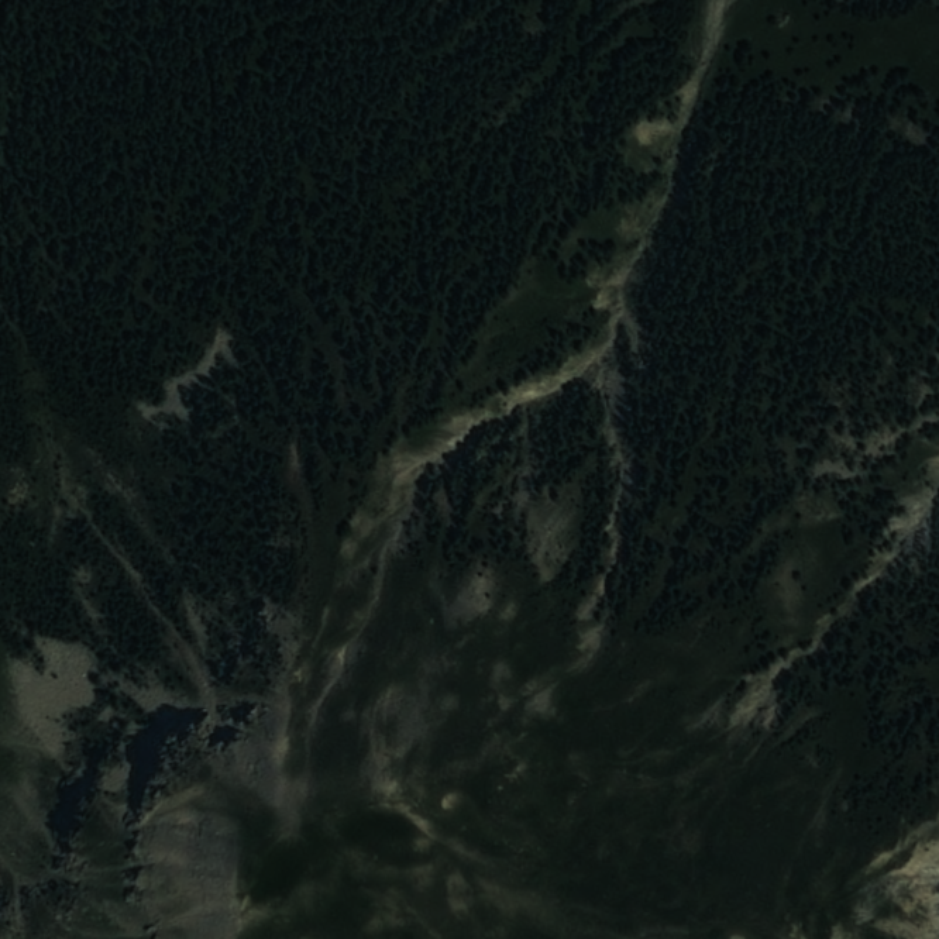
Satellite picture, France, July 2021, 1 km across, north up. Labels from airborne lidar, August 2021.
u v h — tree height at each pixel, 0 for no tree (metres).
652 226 0
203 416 12
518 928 0
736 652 0
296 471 0
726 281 15
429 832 0
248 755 0
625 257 0
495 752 0
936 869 0
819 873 0
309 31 20
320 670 0
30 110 20
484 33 18
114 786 0
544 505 0
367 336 23
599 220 0
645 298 7
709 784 0
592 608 0
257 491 19
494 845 0
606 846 0
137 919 0
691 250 17
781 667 0
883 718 17
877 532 18
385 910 0
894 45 0
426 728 0
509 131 11
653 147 0
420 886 0
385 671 0
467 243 10
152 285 17
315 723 0
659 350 16
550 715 0
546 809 0
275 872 0
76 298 11
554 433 13
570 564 10
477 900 0
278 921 0
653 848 0
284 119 23
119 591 8
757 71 0
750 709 0
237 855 0
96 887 0
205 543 13
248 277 9
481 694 0
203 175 19
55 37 24
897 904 0
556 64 0
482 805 0
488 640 0
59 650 0
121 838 0
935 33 0
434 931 0
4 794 0
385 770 0
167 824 0
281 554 6
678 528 0
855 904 0
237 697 0
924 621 11
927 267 18
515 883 0
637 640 0
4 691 0
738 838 0
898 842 0
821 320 21
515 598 0
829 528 0
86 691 0
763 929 0
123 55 17
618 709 0
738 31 0
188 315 12
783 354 21
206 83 25
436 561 0
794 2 0
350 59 23
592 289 0
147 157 8
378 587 0
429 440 0
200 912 0
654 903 0
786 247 20
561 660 0
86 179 22
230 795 0
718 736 0
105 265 20
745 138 23
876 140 26
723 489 22
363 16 18
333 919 0
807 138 22
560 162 19
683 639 0
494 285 10
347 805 0
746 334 22
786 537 6
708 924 0
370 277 11
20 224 21
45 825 0
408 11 19
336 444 20
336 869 0
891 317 22
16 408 6
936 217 15
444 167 18
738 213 15
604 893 0
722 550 20
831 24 0
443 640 0
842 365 18
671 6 18
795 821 0
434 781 0
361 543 0
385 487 0
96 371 11
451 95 19
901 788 7
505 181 19
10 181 16
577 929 0
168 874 0
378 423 16
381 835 0
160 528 8
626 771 0
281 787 0
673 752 0
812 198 17
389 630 0
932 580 10
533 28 0
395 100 21
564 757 0
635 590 15
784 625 0
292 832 0
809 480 14
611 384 0
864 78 14
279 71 26
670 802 0
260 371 17
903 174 23
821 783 0
